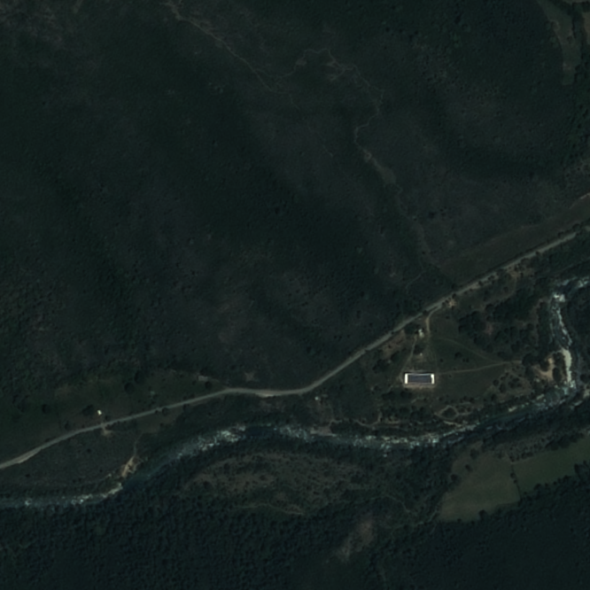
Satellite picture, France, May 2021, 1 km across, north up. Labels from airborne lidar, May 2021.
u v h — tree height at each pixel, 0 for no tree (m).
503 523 8
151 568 15
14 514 27
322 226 5
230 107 6
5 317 12
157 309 11
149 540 16
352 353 15
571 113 6
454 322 0
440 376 0
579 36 12
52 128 6
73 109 6
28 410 13
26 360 6
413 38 20
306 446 14
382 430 8
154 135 6
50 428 0
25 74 6
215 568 14
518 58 6
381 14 6
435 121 6
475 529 7
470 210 0
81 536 13
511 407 9
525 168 6
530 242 0
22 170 6
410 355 0
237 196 6
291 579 9
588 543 9
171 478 13
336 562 6
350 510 7
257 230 6
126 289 13
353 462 9
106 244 10
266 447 10
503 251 0
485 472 0
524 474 0
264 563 10
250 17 0
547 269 12
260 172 8
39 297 8
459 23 21
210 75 5
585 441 0
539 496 15
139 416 0
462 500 0
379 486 7
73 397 0
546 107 7
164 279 6
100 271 12
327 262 7
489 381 0
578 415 13
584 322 11
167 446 10
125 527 21
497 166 6
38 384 6
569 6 11
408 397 8
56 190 6
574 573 6
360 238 7
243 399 6
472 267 0
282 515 5
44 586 6
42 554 11
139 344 8
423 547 6
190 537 12
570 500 15
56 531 19
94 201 6
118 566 7
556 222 0
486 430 6
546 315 13
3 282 13
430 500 9
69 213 6
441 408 0
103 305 12
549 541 5
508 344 8
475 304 0
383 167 0
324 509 9
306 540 7
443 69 6
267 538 26
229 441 8
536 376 6
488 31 8
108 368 10
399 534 8
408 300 7
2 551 6
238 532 23
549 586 6
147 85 6
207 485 16
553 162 9
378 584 11
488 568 7
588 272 16
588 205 0
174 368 12
